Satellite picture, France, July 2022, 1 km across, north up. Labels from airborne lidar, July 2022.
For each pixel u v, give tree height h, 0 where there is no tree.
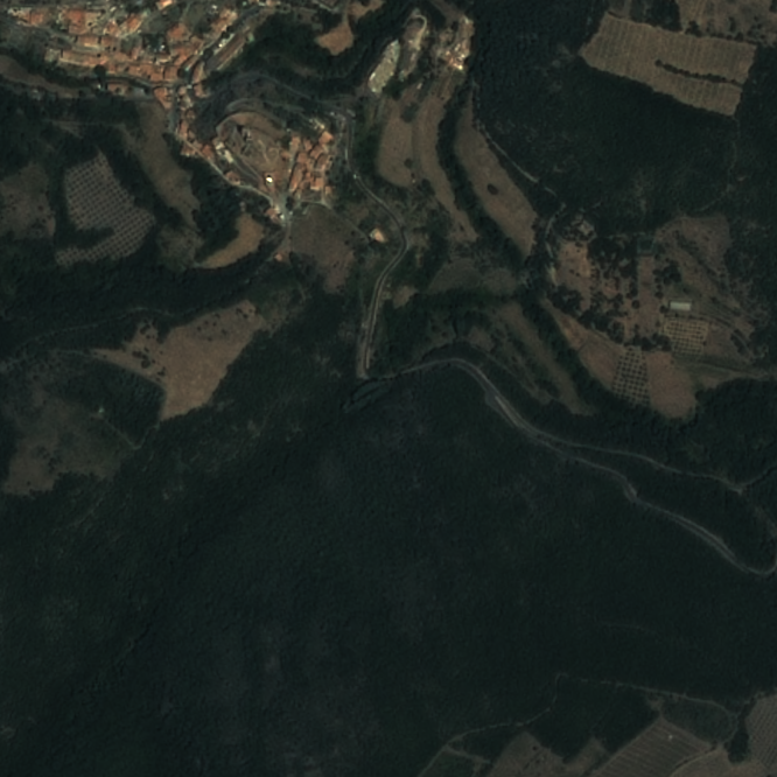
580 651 6
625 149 8
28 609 9
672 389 0
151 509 9
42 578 8
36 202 0
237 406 8
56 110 7
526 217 0
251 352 8
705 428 7
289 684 6
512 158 10
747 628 10
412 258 7
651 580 8
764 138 11
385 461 7
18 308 10
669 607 8
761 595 7
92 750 9
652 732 0
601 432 8
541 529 5
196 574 10
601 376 0
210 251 7
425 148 0
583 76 7
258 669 6
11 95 9
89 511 9
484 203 0
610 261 7
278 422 8
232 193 14
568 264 0
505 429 8
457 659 6
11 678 10
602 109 8
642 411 9
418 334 7
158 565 17
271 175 0
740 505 10
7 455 7
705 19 0
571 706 8
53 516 8
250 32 0
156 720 11
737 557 9
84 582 11
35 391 0
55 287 10
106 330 6
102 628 9
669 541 9
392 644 6
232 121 0
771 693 6
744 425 12
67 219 11
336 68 10
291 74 7
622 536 7
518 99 6
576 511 6
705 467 8
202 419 6
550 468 6
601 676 6
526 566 8
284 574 7
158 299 11
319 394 11
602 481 7
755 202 6
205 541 8
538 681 5
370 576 6
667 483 12
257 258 8
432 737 6
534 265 9
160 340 7
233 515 11
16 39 0
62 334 7
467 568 6
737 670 6
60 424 0
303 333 10
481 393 8
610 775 0
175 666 8
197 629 8
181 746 13
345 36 0
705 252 0
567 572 8
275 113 6
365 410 12
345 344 9
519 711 6
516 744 0
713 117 10
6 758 8
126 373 9
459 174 12
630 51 0
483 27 7
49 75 10
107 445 0
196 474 9
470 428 7
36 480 0
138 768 8
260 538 6
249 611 7
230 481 10
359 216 0
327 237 0
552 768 0
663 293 8
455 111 14
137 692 9
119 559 8
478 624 7
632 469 9
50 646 10
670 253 0
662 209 7
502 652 7
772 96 10
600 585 8
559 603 8
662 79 0
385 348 7
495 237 13
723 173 7
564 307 12
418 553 6
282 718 8
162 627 12
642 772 0
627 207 6
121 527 11
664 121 13
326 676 5
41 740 11
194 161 10
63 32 7
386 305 11
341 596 6
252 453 7
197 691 5
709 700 7
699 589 9
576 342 0
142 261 13
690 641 6
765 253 9
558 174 6
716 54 0
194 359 0
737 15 0
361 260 9
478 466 6
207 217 10
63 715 14
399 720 5
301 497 6
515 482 9
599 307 6
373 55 9
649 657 7
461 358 7
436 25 9
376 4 0
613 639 6
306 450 13
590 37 6
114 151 6
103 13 6
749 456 12
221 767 7
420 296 15
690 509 11
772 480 8
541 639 7
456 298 10
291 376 9
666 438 15
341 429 7
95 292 10
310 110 9
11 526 7
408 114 6
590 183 7
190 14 0
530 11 8
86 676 9
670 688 6
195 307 9
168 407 0
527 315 10
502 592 6
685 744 0
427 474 5
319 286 7
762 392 13
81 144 7
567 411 14
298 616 6
